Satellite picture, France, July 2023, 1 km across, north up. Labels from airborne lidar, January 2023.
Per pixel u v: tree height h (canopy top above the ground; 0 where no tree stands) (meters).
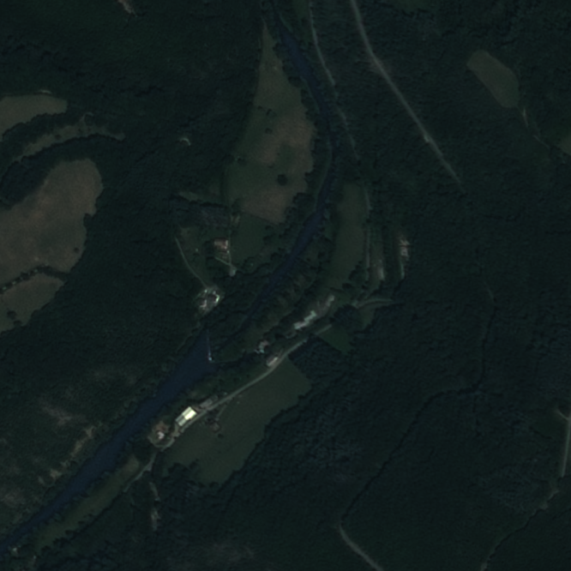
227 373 23
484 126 11
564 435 0
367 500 19
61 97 15
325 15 11
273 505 20
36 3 16
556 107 21
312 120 11
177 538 10
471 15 25
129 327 20
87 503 0
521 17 20
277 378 0
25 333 18
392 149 16
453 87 11
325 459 22
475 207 16
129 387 12
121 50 17
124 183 20
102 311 20
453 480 21
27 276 13
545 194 8
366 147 16
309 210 22
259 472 22
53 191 0
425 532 18
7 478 7
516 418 24
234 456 0
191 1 29
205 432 0
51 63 27
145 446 21
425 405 15
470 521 20
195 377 0
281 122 0
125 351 19
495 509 23
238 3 17
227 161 20
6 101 0
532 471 16
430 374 25
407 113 14
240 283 23
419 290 23
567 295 15
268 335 10
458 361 29
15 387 13
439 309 23
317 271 19
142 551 18
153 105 16
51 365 29
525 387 22
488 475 22
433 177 14
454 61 7
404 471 23
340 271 0
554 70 26
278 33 15
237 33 20
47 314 13
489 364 21
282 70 0
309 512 20
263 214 0
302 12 0
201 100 22
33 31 22
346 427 25
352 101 7
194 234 0
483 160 16
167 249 23
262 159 0
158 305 10
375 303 14
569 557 25
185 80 16
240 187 0
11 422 7
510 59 15
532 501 30
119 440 0
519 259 17
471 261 24
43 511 0
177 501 16
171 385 0
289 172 0
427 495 21
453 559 20
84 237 0
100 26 14
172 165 19
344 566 15
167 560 10
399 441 26
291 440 14
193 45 18
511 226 21
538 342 16
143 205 12
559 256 17
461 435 19
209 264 12
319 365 33
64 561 10
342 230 0
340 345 0
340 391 22
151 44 16
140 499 16
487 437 26
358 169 16
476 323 17
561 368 22
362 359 9
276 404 0
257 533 10
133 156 22
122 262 26
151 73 24
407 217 6
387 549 17
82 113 14
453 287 22
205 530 14
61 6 14
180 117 19
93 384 13
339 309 0
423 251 20
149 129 17
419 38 12
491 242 22
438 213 20
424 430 24
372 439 27
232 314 17
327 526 15
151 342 16
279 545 14
